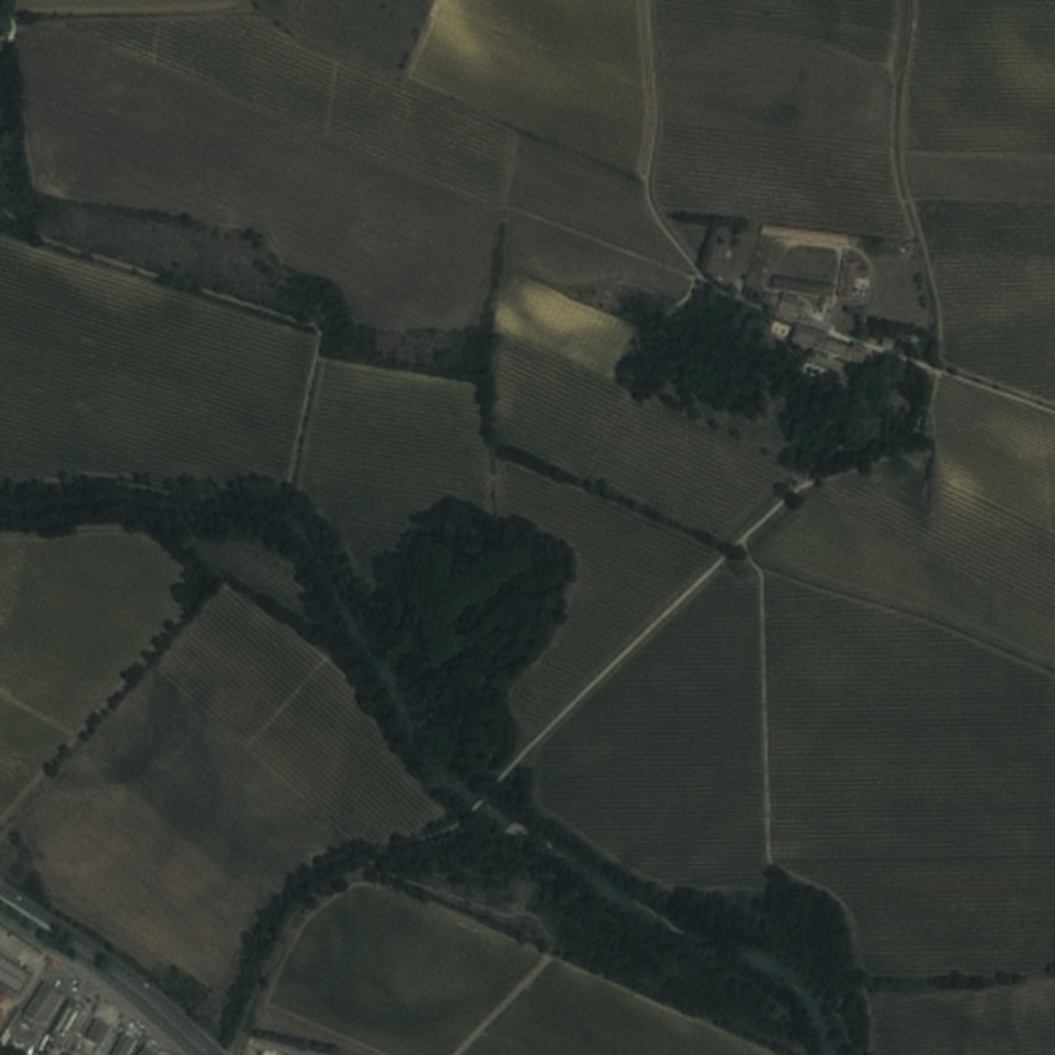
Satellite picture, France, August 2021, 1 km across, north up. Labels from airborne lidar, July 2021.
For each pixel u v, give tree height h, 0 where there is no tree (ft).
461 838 37
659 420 0
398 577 102
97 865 0
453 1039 0
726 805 0
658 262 0
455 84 0
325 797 0
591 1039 0
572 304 0
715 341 29
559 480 40
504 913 0
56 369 0
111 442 0
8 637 0
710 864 0
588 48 0
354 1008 0
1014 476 0
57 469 0
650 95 0
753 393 59
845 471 67
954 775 0
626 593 0
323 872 50
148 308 0
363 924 0
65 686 0
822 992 32
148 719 0
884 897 0
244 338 0
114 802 0
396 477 0
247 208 0
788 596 0
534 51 0
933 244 0
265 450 0
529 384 0
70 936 50
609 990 0
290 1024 0
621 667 0
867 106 0
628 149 0
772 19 0
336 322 30
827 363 0
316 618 70
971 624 0
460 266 0
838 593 0
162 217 27
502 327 0
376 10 0
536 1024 0
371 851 43
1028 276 0
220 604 0
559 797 0
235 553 0
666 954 37
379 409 0
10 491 44
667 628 0
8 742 0
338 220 0
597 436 0
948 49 0
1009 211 0
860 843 0
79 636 0
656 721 0
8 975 0
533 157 0
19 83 37
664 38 0
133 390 0
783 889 31
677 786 0
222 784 0
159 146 0
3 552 0
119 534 0
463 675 78
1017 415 0
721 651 0
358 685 69
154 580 0
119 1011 0
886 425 29
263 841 0
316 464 0
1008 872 0
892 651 0
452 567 77
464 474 0
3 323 0
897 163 0
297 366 0
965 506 0
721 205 0
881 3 0
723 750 0
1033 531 0
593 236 0
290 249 0
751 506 0
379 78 0
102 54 0
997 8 0
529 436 0
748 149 0
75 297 0
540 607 50
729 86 0
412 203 0
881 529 0
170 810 0
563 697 0
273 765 0
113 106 0
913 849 0
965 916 0
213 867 0
